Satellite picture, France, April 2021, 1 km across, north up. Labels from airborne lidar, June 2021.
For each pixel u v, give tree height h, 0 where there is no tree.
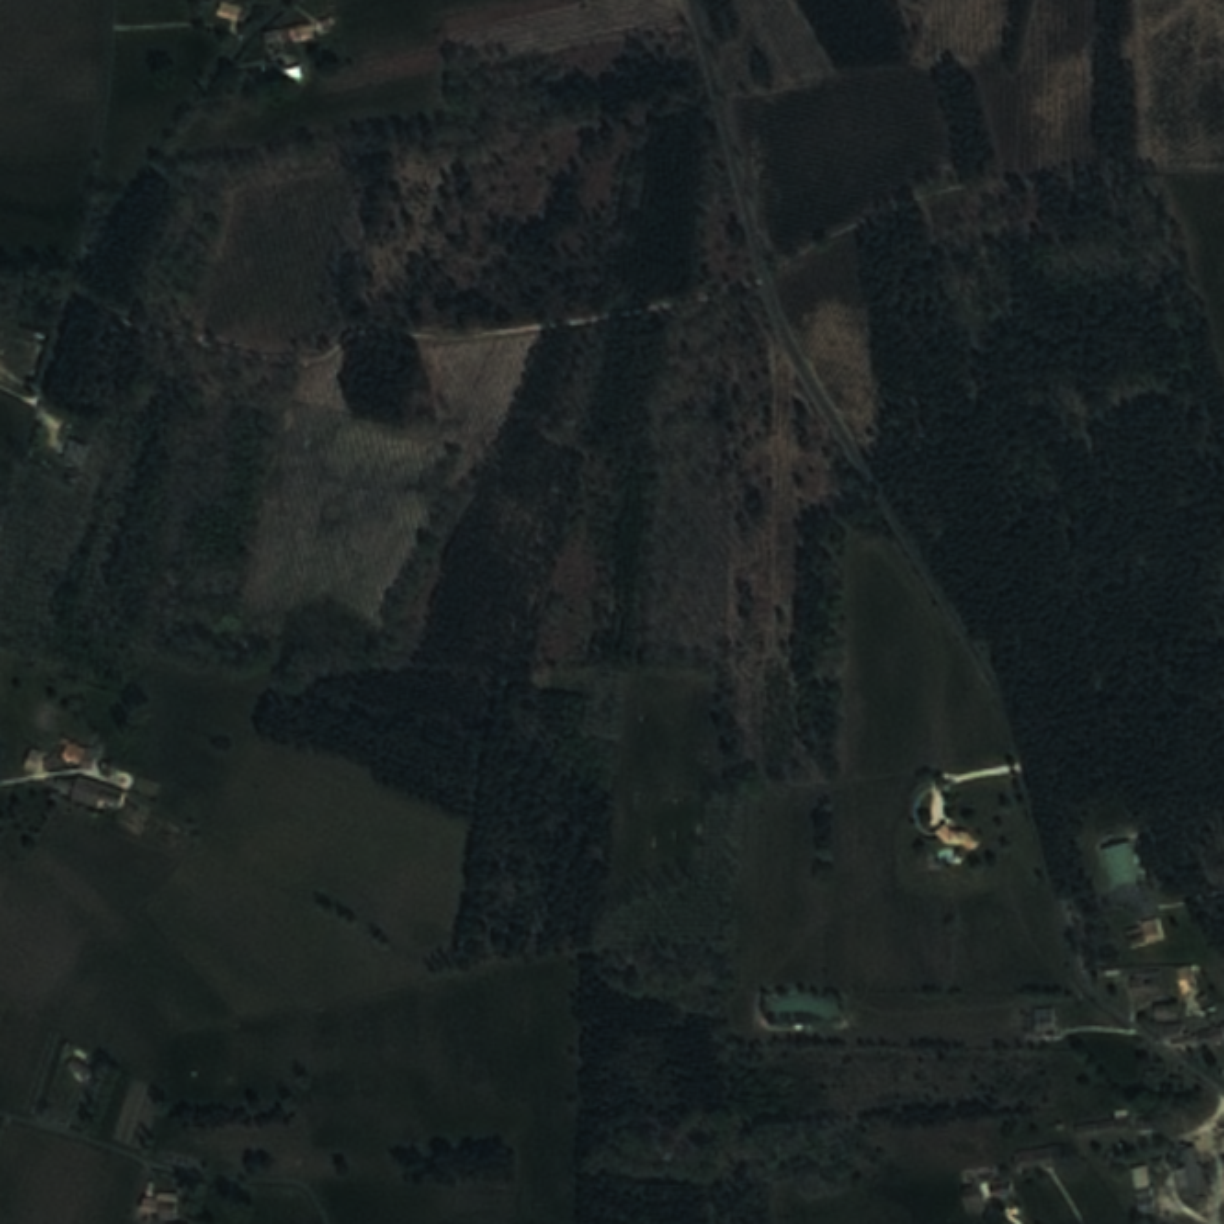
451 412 13
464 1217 0
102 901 0
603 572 6
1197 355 18
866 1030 0
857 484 15
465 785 15
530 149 12
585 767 12
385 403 19
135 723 22
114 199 13
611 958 11
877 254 18
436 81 0
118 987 0
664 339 18
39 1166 0
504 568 7
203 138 0
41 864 0
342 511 0
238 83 14
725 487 13
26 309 17
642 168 7
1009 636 21
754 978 0
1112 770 18
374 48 0
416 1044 0
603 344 14
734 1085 7
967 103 18
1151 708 19
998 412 16
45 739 0
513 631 7
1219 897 17
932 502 20
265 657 23
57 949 0
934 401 20
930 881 0
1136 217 11
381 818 0
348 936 0
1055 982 0
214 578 20
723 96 16
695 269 9
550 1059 0
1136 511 21
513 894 10
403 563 0
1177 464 20
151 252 17
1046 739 20
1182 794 21
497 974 0
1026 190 19
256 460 15
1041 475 16
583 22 0
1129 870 0
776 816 0
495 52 12
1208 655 20
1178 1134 0
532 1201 0
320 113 0
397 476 0
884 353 14
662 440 12
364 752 15
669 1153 19
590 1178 10
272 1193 0
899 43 12
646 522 8
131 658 27
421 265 10
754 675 8
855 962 0
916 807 0
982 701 0
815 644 13
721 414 13
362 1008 0
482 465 10
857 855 0
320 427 0
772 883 0
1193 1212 0
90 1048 0
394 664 15
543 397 10
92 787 0
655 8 0
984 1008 0
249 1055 0
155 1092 0
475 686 10
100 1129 19
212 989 0
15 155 0
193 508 20
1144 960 0
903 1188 0
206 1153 0
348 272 13
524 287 8
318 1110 0
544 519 7
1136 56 0
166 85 20
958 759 0
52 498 26
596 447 19
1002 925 0
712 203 10
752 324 10
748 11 0
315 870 0
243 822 0
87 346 16
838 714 18
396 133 17
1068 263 18
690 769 0
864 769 0
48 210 0
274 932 0
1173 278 12
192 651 24
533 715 16
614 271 9
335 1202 0
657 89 17
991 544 23
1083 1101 0
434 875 0
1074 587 21
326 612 8
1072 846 20
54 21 0
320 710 17
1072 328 17
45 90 0
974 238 6
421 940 0
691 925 26
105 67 0
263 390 13
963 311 16
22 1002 0
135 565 18
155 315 8
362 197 9
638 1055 6
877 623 0
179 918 0
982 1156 0
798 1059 7
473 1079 0
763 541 11
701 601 14
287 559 0
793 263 12
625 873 0
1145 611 20
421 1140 0
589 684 0
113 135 0
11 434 0
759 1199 19
